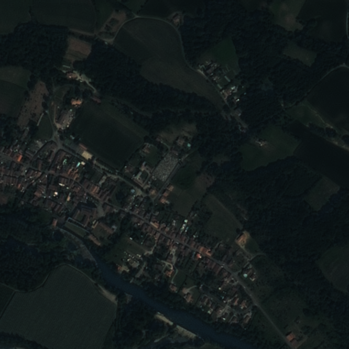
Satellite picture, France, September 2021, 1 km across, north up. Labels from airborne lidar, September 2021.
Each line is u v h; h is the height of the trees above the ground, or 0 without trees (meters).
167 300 24
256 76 19
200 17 15
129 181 7
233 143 14
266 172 19
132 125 0
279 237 21
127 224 9
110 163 0
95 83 7
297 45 15
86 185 0
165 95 24
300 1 0
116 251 0
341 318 18
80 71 12
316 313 7
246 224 12
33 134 16
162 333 19
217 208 0
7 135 10
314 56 0
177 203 0
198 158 0
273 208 20
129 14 15
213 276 7
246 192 17
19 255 38
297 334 0
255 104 17
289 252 18
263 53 9
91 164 15
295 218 27
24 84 0
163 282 13
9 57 9
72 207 0
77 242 0
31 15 9
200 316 19
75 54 0
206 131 19
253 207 19
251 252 0
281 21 0
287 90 10
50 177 6
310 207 15
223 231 0
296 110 0
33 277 36
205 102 19
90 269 22
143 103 26
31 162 7
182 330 0
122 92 25
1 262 37
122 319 17
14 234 37
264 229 12
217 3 23
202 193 0
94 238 0
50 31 16
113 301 0
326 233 26
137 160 0
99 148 0
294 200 18
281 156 0
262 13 12
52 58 23
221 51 0
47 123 0
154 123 22
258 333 9
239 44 28
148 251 0
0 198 0
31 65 10
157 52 0
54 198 10
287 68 16
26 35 24
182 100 21
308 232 25
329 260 0
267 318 0
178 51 0
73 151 6
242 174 21
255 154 0
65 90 0
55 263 18
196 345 16
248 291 0
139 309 19
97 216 0
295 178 7
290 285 11
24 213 21
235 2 18
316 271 19
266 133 0
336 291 8
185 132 5
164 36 0
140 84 26
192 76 0
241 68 20
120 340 30
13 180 0
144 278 12
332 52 19
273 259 21
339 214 28
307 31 16
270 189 22
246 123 12
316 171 9
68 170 0
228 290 8
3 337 22
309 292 17
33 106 0
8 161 0
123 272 7
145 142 11
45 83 16
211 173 10
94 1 8
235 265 0
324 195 0
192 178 0
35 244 11
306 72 16
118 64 22
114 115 0
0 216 34
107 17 0
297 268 23
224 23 22
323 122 0
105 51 26
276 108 16
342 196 20
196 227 6
